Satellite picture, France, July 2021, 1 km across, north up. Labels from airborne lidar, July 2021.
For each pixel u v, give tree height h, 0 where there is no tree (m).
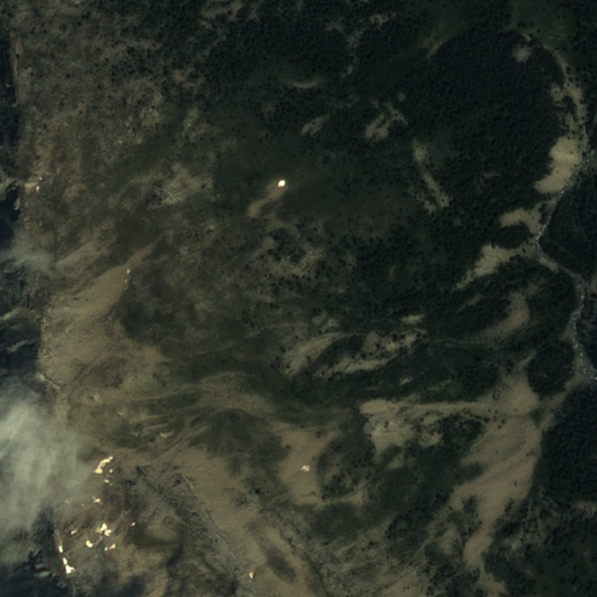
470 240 14
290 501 0
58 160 0
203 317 0
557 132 9
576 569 9
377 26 9
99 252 0
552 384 11
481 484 0
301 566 0
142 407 0
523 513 8
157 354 0
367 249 10
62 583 0
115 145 0
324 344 0
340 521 0
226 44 8
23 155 0
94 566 0
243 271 0
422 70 8
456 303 16
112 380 0
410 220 9
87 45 0
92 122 0
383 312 7
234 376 0
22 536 0
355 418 0
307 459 0
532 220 0
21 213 0
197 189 0
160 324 0
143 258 0
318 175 0
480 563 0
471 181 15
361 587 0
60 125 0
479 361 16
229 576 0
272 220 0
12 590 0
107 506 0
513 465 0
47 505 0
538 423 0
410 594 0
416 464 0
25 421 0
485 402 0
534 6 0
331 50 12
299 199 0
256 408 0
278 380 0
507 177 17
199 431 0
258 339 0
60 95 0
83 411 0
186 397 0
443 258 0
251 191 0
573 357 7
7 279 0
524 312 0
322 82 0
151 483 0
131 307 0
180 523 0
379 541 0
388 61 11
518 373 0
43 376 0
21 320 0
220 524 0
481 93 13
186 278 0
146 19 6
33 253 0
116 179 0
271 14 8
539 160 11
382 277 9
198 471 0
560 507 13
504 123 18
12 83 7
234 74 10
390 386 0
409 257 8
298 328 0
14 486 0
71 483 0
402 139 9
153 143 0
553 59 8
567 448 8
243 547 0
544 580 0
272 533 0
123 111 0
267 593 0
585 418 11
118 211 0
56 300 0
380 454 0
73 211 0
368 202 0
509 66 15
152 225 0
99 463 0
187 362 0
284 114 10
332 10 9
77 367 0
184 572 0
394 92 9
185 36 7
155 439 0
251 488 0
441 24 0
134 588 0
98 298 0
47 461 0
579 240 10
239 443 0
